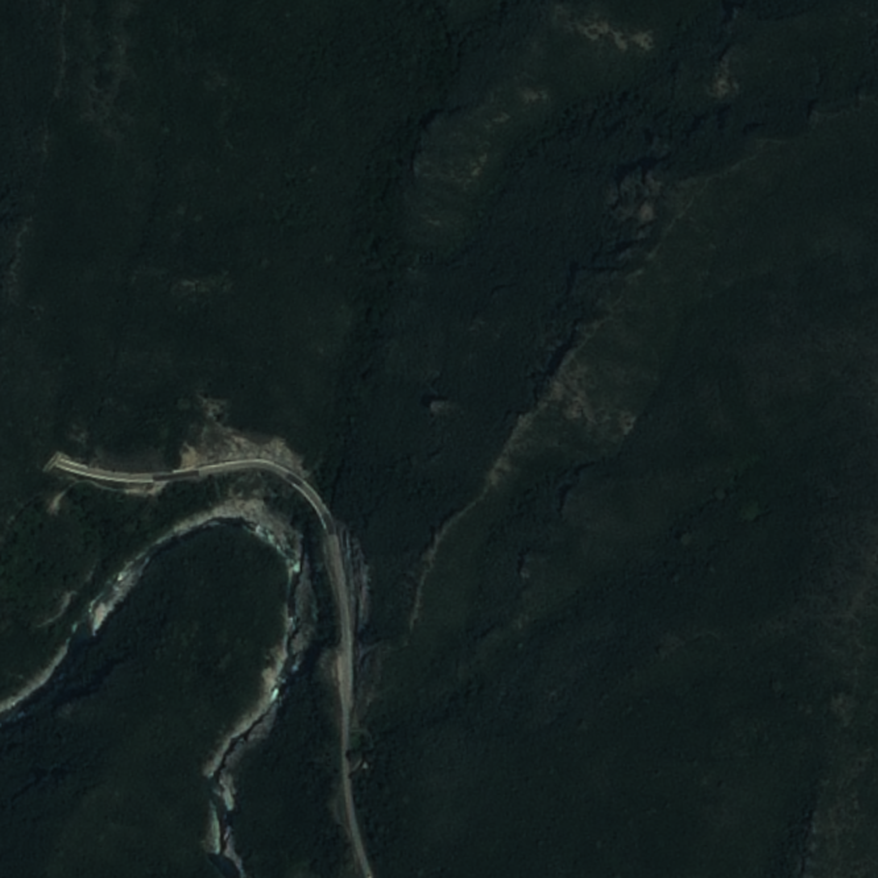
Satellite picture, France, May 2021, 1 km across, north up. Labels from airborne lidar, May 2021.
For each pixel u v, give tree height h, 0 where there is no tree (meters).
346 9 8
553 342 6
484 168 6
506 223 6
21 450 6
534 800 6
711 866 6
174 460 6
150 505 12
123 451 6
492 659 7
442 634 8
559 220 5
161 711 8
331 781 13
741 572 6
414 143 22
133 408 6
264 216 7
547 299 5
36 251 6
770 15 7
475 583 5
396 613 5
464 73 7
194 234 6
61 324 6
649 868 6
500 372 6
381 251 33
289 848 8
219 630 12
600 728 7
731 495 9
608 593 7
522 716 6
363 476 7
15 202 6
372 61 10
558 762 5
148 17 6
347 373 15
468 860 6
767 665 7
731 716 6
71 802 8
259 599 7
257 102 7
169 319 6
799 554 6
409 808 7
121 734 6
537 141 14
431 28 14
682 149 7
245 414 5
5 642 6
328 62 9
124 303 7
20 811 8
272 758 10
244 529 18
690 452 6
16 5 7
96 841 9
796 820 14
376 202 17
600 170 7
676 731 7
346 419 12
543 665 7
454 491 6
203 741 8
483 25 21
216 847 0
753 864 6
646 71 8
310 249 8
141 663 11
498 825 5
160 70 6
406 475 10
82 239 7
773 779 6
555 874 6
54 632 13
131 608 6
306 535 8
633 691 6
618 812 6
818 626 7
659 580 9
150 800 5
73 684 10
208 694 6
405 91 8
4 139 6
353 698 0
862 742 6
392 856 8
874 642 6
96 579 9
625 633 6
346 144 7
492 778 7
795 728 6
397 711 12
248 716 0
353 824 0
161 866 14
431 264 11
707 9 5
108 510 7
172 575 8
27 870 7
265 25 7
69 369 8
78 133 6
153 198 7
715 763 6
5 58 7
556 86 6
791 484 6
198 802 6
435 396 8
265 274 6
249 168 5
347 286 11
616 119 6
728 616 6
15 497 8
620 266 7
